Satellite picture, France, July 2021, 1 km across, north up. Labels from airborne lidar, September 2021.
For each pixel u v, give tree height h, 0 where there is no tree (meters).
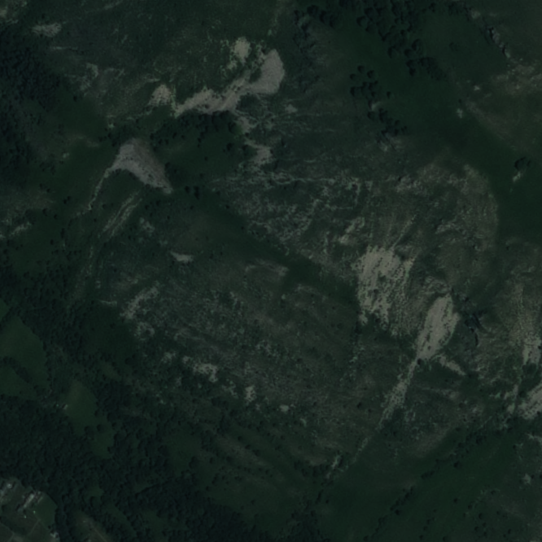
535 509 0
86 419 0
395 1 15
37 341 0
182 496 21
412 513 0
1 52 11
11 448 14
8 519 13
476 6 0
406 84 0
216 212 0
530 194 0
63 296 11
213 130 8
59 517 20
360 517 0
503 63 0
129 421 14
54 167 12
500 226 0
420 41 12
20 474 15
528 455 0
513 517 0
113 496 20
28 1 7
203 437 11
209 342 0
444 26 0
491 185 0
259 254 0
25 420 12
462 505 0
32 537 0
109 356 9
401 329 6
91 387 10
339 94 0
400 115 0
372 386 0
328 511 0
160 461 17
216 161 0
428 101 0
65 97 0
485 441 14
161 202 11
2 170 13
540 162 0
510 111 0
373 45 0
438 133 0
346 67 0
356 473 0
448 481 0
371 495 0
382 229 0
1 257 16
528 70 0
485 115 0
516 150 0
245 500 0
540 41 0
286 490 0
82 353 8
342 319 0
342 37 0
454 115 0
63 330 11
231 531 20
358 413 0
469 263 0
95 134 0
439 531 0
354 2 23
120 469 14
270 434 10
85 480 14
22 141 10
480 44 0
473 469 0
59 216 11
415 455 0
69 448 23
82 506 15
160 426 13
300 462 7
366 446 0
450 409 0
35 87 18
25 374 16
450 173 0
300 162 0
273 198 0
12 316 9
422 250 0
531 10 0
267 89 0
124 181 0
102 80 0
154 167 0
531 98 0
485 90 0
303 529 15
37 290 11
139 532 17
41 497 0
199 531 22
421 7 7
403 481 0
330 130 0
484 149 0
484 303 0
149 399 9
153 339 6
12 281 13
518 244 0
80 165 0
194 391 13
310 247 0
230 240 0
